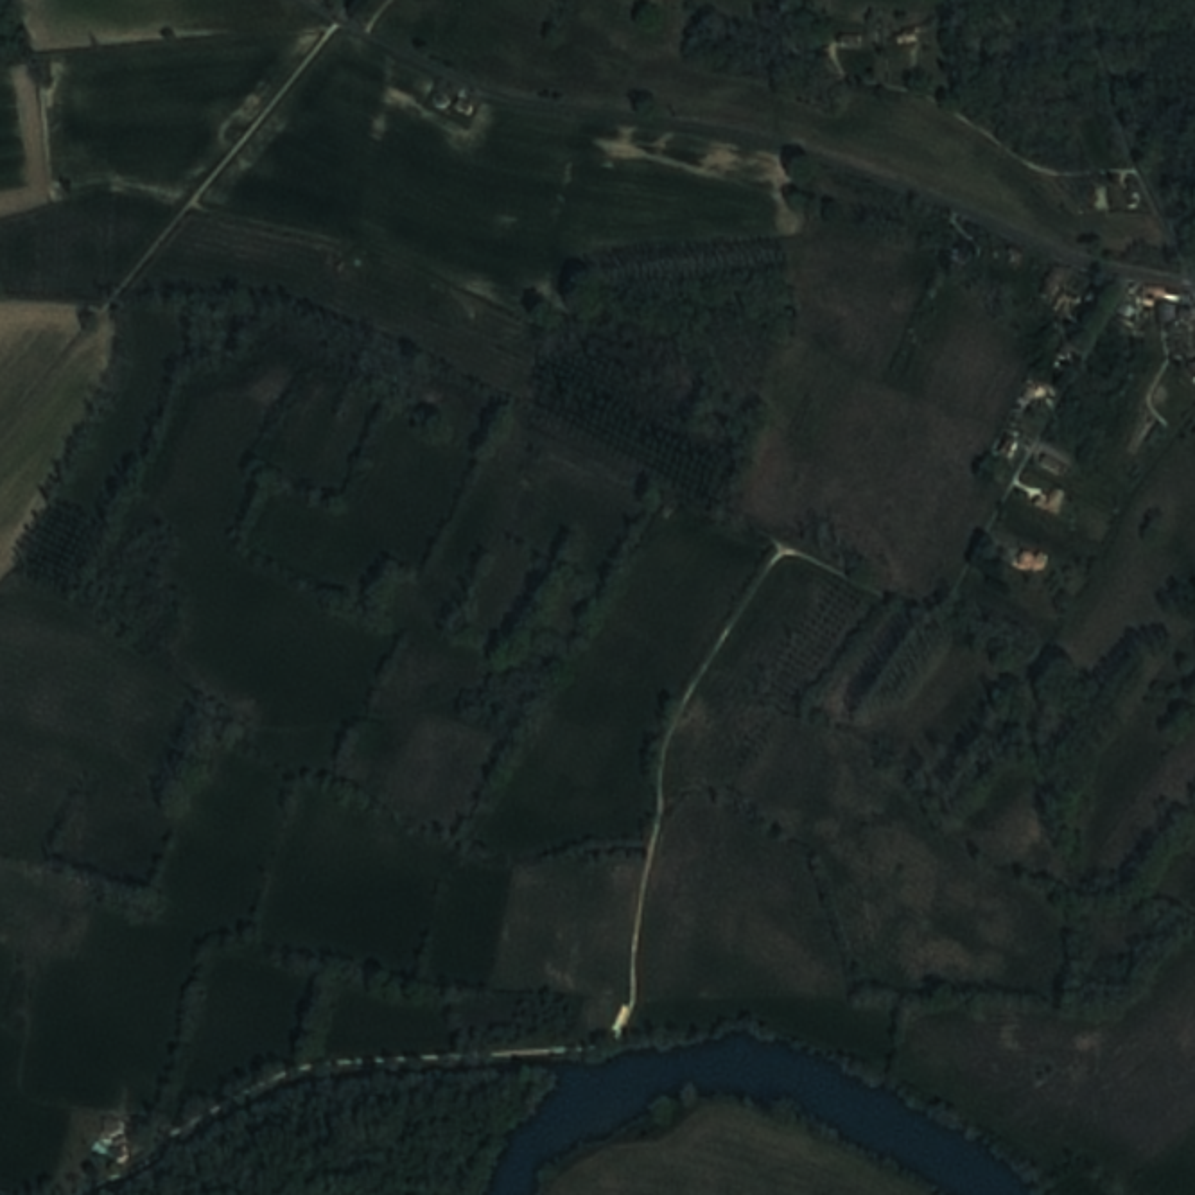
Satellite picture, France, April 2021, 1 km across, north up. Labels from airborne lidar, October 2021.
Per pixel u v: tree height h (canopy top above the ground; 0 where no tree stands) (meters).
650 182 0
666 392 7
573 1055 11
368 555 0
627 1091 0
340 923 0
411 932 0
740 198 0
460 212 0
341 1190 25
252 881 0
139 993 0
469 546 0
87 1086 0
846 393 0
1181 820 20
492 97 0
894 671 34
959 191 0
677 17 0
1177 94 14
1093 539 0
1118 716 32
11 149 0
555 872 0
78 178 0
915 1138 0
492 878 0
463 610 22
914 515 0
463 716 16
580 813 0
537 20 0
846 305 0
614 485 0
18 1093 0
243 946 11
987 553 21
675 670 0
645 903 0
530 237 0
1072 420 11
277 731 0
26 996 0
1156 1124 0
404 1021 0
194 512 0
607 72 0
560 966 0
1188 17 20
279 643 0
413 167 0
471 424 0
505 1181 0
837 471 0
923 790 23
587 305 29
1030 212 0
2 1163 0
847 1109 0
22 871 0
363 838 0
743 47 16
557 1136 0
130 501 23
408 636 8
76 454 20
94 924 0
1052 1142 0
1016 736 22
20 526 0
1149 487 0
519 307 0
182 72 0
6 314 0
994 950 7
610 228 0
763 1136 0
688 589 0
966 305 0
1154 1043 0
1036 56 23
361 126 0
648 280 32
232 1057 0
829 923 9
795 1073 0
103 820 0
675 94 0
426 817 0
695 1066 0
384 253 0
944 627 12
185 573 0
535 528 0
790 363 0
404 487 0
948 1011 19
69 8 0
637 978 0
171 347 0
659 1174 0
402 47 0
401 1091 16
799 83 22
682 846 0
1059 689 28
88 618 9
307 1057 19
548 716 14
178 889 0
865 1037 0
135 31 0
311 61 0
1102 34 17
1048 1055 0
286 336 12
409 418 13
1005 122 19
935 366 0
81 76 0
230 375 6
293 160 0
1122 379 7
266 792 0
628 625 0
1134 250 10
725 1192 0
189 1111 17
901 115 0
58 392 0
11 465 0
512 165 0
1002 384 0
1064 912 19
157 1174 15
